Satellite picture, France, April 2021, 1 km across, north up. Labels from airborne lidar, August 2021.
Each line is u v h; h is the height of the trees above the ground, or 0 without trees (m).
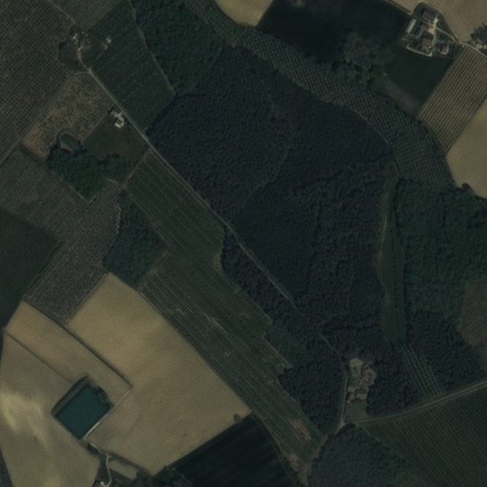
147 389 0
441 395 24
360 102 27
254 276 18
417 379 25
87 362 0
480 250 25
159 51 24
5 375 0
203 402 0
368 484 20
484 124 0
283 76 12
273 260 14
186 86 18
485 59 0
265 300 21
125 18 7
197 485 0
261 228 12
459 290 20
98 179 19
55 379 0
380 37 0
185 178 20
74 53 0
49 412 0
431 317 22
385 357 23
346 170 13
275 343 12
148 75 6
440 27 0
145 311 0
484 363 0
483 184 0
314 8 0
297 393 19
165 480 0
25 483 0
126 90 7
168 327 0
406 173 24
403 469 15
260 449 0
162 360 0
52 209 7
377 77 26
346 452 19
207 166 21
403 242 17
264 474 0
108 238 6
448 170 11
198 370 0
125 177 16
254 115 23
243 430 0
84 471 0
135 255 23
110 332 0
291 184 16
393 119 29
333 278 21
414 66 0
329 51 0
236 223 12
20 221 0
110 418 0
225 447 0
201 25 27
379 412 19
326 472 15
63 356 0
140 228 12
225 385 0
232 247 19
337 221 23
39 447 0
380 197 24
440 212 15
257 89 23
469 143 0
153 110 6
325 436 13
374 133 11
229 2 0
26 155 5
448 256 16
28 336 0
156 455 0
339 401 21
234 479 0
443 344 23
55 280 6
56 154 19
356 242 14
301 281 13
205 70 21
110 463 0
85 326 0
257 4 0
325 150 13
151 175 7
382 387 20
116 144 0
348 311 19
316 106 15
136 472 0
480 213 16
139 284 17
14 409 0
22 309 0
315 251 19
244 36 29
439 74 0
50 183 6
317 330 19
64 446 0
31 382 0
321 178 16
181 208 6
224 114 24
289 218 14
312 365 11
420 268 26
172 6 21
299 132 11
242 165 23
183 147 24
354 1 0
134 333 0
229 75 25
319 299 20
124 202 18
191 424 0
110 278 0
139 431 0
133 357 0
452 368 16
